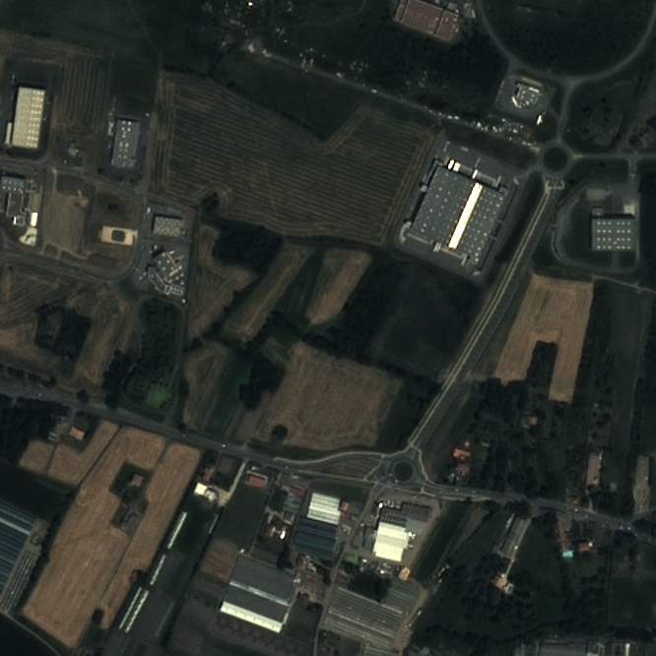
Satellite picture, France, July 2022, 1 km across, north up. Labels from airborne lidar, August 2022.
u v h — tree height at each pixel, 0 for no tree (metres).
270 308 0
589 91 0
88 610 0
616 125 0
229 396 0
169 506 0
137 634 0
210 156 0
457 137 0
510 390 9
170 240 0
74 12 0
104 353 0
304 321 0
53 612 0
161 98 0
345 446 0
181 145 0
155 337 7
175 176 0
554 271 0
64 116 0
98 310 0
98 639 0
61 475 0
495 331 0
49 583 0
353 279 0
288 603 0
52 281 0
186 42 0
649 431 0
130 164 0
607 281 0
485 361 0
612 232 0
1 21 0
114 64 0
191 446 0
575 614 20
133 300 0
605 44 0
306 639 0
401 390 0
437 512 0
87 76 0
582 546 0
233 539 0
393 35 6
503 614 19
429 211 0
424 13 0
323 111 0
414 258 0
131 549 0
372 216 0
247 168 0
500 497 0
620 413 0
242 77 0
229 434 0
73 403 0
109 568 0
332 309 0
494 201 0
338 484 0
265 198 0
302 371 0
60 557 0
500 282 0
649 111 0
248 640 0
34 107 0
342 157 0
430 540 0
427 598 0
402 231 0
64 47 0
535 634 7
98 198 0
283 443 0
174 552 0
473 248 0
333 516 0
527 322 0
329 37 0
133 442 0
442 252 0
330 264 0
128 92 0
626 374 0
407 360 0
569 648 0
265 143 0
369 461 0
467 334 0
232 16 0
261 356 9
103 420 0
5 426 13
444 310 0
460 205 0
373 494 0
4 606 0
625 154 0
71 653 0
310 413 0
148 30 0
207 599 0
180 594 0
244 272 0
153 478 0
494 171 0
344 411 0
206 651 0
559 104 0
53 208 0
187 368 0
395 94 0
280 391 0
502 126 0
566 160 0
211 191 0
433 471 0
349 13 0
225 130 0
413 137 0
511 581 12
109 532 0
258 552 0
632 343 0
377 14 0
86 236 0
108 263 0
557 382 0
